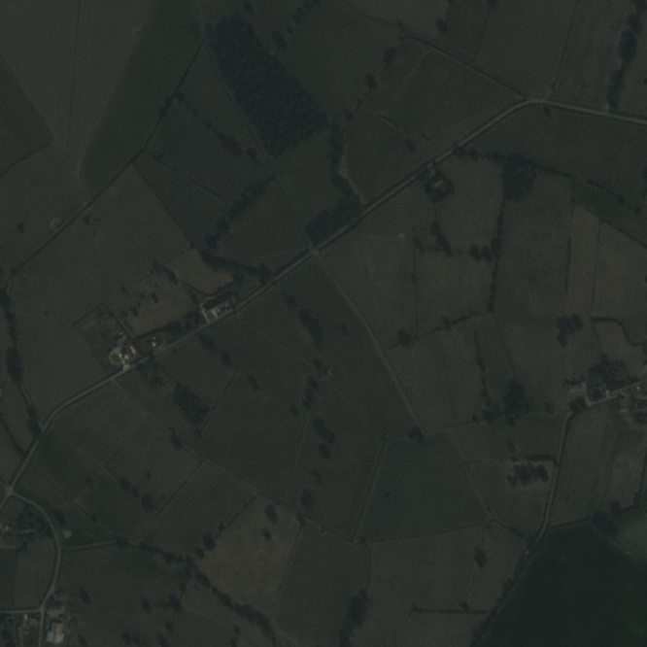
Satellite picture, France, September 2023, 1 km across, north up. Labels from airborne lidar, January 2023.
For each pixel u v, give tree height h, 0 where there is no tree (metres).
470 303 0
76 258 0
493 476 0
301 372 0
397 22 0
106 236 0
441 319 0
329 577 0
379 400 0
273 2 0
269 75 11
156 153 0
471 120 0
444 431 0
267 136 14
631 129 0
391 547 0
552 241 0
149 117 0
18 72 0
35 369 0
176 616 0
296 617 0
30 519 8
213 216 0
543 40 0
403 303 0
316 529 0
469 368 0
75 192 0
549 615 0
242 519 0
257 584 0
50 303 0
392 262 0
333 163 19
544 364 0
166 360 0
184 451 0
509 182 16
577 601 0
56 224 0
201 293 0
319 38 0
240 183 0
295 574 0
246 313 0
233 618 0
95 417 0
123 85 0
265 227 0
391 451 0
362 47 0
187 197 0
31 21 0
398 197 0
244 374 0
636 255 0
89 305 0
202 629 0
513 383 0
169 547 0
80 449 0
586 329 0
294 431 0
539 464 0
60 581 0
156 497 0
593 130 0
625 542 0
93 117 0
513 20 0
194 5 0
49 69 0
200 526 0
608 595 0
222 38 9
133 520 0
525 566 12
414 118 0
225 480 0
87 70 0
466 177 0
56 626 0
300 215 0
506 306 0
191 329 7
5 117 0
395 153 0
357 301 0
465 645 0
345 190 17
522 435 0
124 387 0
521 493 0
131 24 0
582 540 0
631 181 0
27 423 0
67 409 0
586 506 0
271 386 0
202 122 14
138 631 0
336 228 12
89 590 0
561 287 0
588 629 0
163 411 0
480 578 0
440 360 0
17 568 0
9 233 0
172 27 0
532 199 0
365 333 0
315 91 0
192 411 8
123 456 0
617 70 0
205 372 0
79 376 0
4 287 0
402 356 0
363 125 0
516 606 0
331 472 0
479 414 0
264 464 0
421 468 0
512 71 0
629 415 0
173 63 0
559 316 0
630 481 0
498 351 0
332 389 0
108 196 0
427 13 0
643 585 0
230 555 0
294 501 0
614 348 0
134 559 0
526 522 0
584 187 0
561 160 0
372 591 0
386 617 0
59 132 0
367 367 0
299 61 0
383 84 0
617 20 0
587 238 0
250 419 0
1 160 0
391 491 0
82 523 0
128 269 0
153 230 0
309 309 0
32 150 0
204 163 0
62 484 0
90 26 0
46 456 0
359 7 0
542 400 0
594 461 0
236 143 14
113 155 0
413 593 0
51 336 0
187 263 0
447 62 0
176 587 0
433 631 0
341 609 0
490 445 0
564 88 0
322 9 0
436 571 0
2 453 0
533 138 0
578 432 0
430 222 0
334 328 0
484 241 0
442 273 0
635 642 0
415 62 0
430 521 0
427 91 0
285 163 0
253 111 10
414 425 0
